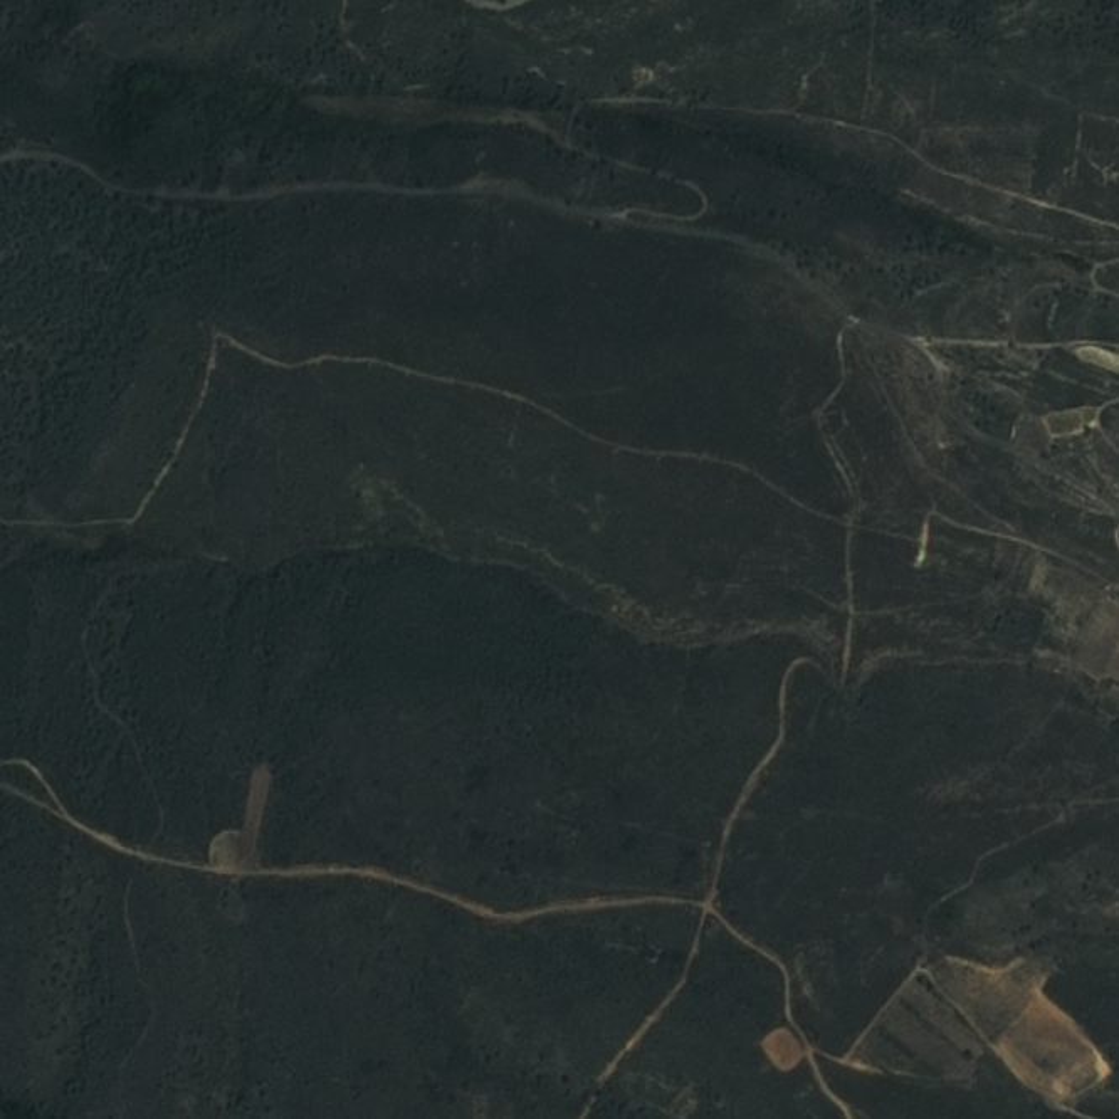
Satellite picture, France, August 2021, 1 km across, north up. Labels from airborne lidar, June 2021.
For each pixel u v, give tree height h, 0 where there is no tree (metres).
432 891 0
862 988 0
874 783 0
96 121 7
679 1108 0
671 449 0
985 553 0
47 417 9
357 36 0
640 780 0
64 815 0
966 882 0
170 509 0
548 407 0
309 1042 0
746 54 0
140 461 0
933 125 0
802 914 0
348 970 0
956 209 0
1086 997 0
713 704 0
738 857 0
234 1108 12
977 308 0
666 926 0
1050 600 0
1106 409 0
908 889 0
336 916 0
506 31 0
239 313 0
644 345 0
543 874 0
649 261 0
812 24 0
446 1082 0
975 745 0
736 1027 0
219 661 6
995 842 0
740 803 0
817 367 0
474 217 0
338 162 0
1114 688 0
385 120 0
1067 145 0
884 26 0
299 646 0
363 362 0
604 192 0
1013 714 0
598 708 0
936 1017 0
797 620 0
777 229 0
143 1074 0
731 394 0
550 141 7
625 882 0
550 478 0
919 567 0
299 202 0
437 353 0
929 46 0
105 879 7
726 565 0
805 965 0
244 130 7
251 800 0
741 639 0
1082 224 0
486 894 0
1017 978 0
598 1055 0
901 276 5
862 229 0
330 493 0
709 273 0
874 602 0
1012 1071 0
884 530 0
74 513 0
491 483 0
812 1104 0
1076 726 0
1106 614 0
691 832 0
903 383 0
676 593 0
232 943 0
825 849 0
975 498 0
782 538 0
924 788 0
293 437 0
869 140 0
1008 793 0
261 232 0
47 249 8
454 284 0
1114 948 0
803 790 0
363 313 0
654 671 0
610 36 0
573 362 0
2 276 12
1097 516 0
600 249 0
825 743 0
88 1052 6
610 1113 9
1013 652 0
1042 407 0
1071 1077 0
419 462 0
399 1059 0
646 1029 0
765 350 0
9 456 8
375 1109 0
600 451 0
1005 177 0
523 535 0
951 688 0
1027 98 0
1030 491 0
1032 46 0
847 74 0
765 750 0
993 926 0
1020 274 0
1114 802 0
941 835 0
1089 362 0
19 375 8
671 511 0
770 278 0
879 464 0
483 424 0
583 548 0
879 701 0
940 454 0
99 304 8
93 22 0
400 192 0
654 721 0
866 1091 0
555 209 0
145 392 0
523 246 0
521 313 0
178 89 7
